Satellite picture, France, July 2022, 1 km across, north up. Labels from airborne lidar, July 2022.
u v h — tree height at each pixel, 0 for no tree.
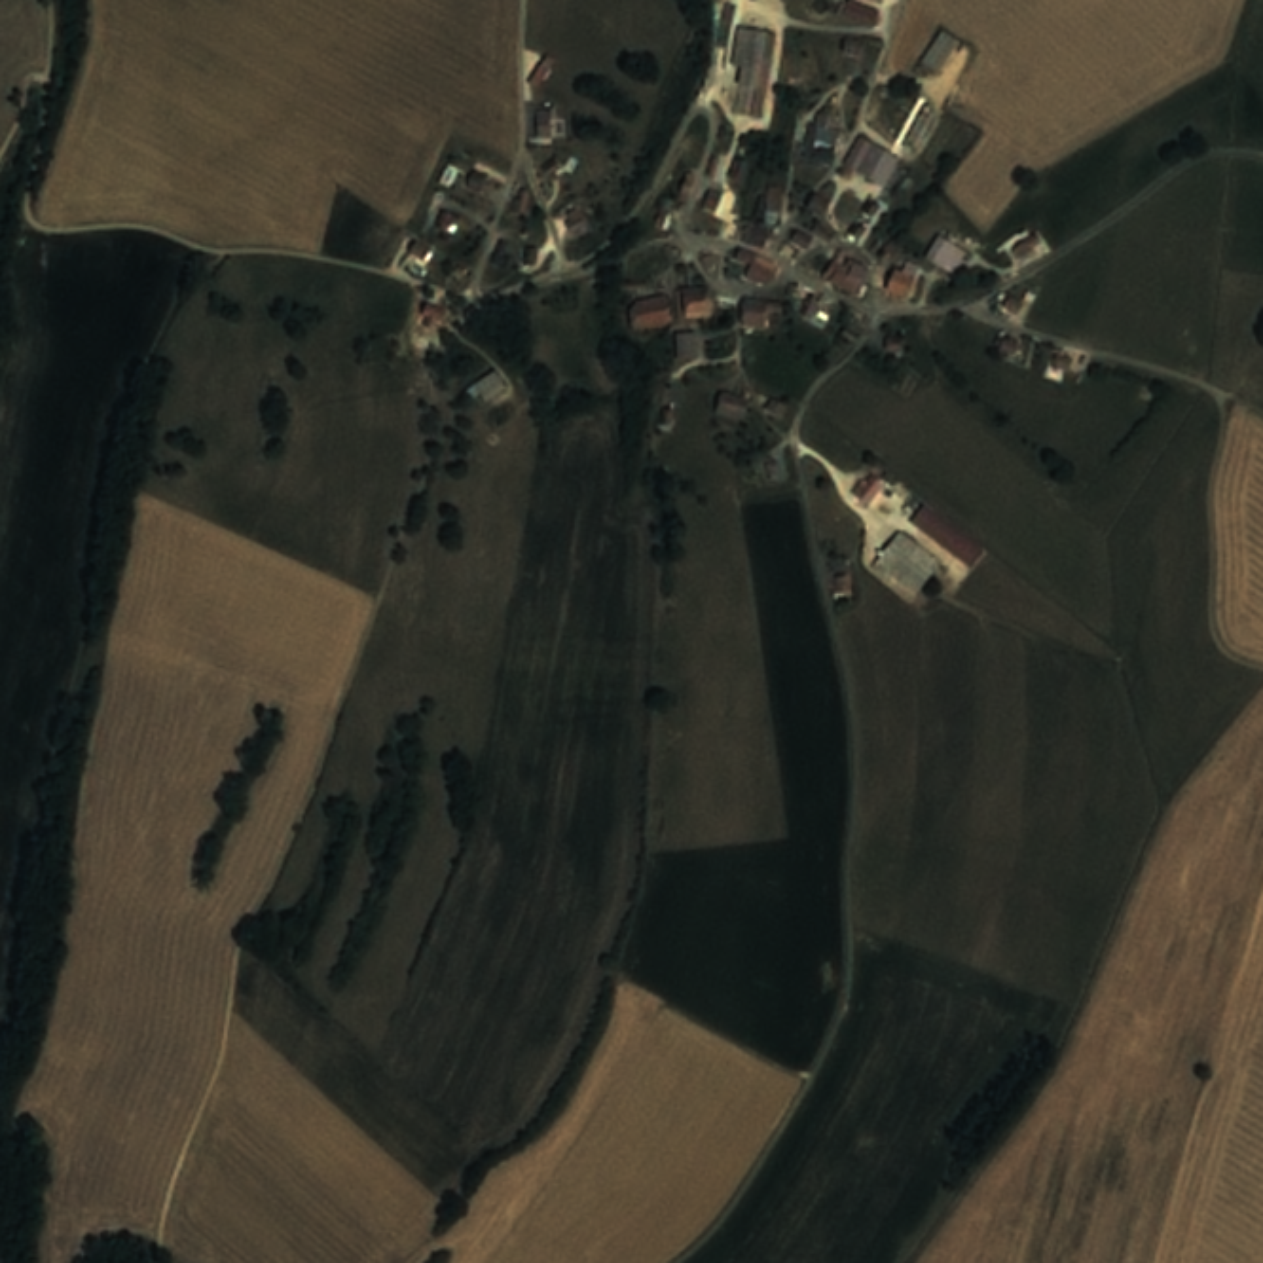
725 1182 0
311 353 0
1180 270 0
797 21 0
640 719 0
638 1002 0
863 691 0
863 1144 0
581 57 0
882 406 0
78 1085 0
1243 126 0
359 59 0
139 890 0
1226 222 0
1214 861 0
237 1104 0
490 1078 0
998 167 0
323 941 0
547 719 0
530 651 0
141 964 0
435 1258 12
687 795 0
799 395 0
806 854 0
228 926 0
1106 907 0
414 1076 0
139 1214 0
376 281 0
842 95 0
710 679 0
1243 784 0
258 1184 0
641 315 0
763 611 0
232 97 0
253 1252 0
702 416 0
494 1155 13
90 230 0
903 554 0
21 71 0
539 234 0
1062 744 0
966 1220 0
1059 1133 0
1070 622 0
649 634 0
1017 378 0
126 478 19
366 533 0
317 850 0
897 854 0
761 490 0
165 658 0
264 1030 0
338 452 0
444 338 13
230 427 0
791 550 0
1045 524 0
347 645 0
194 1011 0
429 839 0
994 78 0
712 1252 0
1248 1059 0
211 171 0
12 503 0
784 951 0
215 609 0
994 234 0
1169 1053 0
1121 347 0
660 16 0
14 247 14
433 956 0
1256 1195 0
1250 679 0
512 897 0
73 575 0
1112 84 0
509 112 0
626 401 12
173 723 0
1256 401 0
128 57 0
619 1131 0
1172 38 0
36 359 0
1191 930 0
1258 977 0
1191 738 0
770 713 0
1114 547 0
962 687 0
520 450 0
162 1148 0
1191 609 0
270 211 0
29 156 10
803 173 0
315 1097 0
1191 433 0
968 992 0
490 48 0
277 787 0
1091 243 0
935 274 0
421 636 0
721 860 0
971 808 0
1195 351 0
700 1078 0
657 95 0
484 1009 0
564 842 0
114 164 0
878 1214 0
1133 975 0
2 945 0
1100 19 0
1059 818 0
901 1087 0
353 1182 0
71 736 19
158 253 0
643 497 0
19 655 0
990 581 0
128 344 0
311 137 0
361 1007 0
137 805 0
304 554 0
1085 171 0
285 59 0
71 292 0
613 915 0
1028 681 0
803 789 0
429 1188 0
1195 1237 0
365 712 0
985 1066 0
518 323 23
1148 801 0
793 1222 0
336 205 0
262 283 0
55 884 22
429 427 19
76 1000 0
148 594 0
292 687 0
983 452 0
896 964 0
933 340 0
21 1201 20
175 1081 0
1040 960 0
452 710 0
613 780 0
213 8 0
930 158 0
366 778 0
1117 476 0
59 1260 0
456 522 11
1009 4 0
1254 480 0
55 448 0
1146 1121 0
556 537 0
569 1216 0
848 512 0
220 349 0
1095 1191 0
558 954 0
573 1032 0
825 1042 0
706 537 0
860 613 0
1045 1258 0
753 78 0
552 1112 10
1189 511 0
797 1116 0
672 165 0
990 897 0
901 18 0
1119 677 0
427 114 0
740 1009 0
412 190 0
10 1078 20
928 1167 0
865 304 0
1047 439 0
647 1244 0
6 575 0
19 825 0
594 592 0
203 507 0
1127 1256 0
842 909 0
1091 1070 0
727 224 0
